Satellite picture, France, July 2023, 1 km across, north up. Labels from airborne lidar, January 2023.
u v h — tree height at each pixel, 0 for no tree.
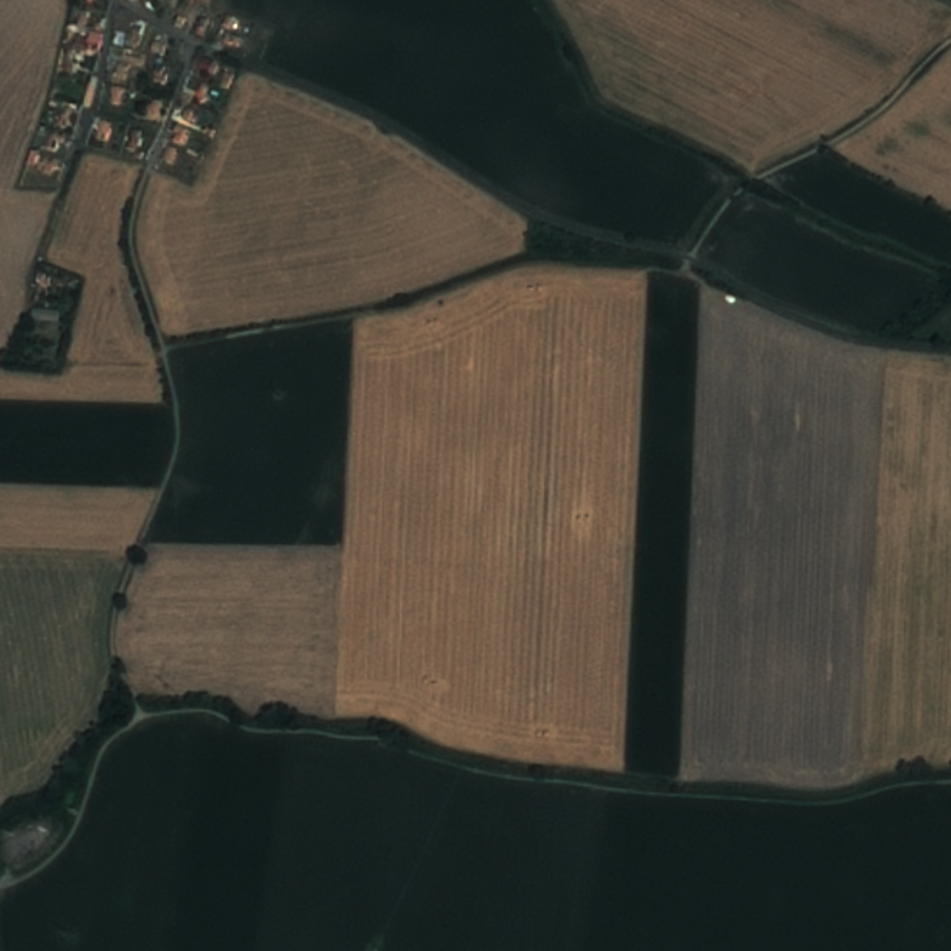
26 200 0
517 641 0
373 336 0
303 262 0
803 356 0
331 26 0
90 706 0
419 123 0
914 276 0
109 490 0
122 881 0
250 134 0
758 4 0
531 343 0
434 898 0
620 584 0
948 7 0
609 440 0
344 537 0
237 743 0
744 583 0
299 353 0
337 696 0
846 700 0
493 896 0
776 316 0
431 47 0
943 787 0
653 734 0
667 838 0
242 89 0
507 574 0
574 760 0
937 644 0
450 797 0
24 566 0
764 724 0
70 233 0
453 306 0
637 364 0
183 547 0
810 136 0
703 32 0
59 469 0
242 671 0
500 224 0
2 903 0
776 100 0
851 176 0
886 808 0
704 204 0
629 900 0
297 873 0
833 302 0
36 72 0
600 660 0
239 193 0
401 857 0
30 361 10
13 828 0
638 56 0
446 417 0
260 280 0
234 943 0
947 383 0
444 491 0
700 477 0
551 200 0
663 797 0
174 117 0
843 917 0
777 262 0
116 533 0
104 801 0
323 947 0
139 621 0
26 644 0
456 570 0
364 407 0
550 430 0
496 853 0
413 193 0
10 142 0
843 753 0
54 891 0
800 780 0
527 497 0
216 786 0
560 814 0
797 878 0
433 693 0
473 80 0
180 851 0
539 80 0
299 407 0
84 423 0
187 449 0
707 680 0
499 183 0
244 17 0
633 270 0
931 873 0
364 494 0
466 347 0
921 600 0
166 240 0
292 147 0
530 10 0
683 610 0
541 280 0
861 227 0
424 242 0
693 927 0
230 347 0
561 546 0
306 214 0
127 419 0
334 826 0
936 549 0
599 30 0
